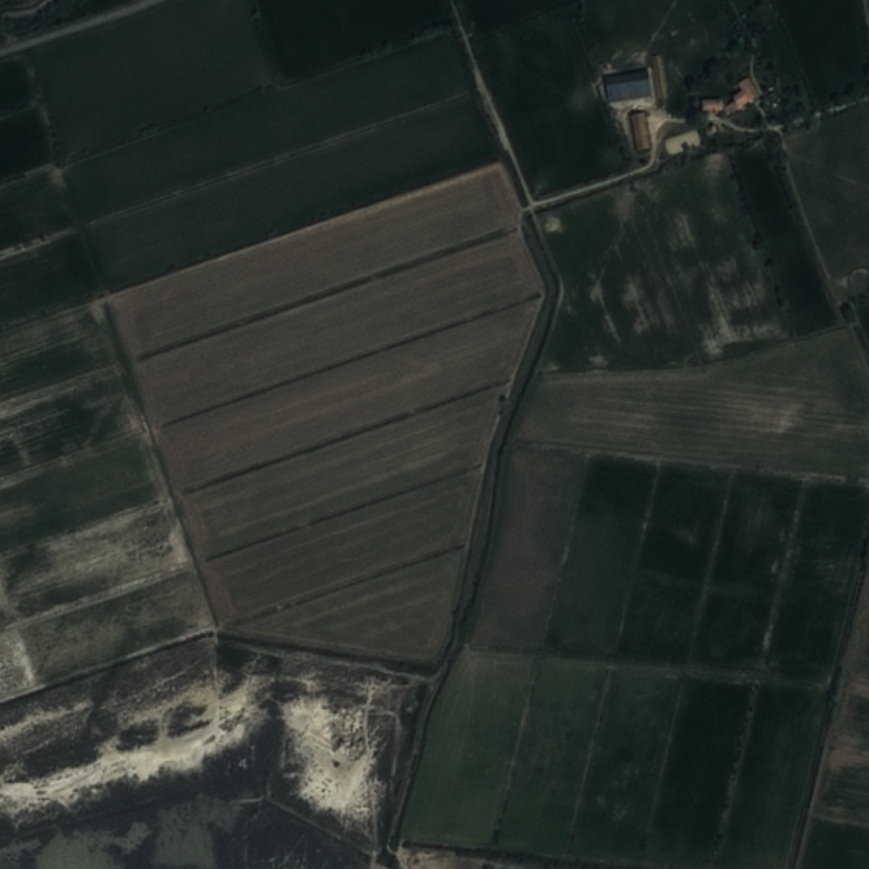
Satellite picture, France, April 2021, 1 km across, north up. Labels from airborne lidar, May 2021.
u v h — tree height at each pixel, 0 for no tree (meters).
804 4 0
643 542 0
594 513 0
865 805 0
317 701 0
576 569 0
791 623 0
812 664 0
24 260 0
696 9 0
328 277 0
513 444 0
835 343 0
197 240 0
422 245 0
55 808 0
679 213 0
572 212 0
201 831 0
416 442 0
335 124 0
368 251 0
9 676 0
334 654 0
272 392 0
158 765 0
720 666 0
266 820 0
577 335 0
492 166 0
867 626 0
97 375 0
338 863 0
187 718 0
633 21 0
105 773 0
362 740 0
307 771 0
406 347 0
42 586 0
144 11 0
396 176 0
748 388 0
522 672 0
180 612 0
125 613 0
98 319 0
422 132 0
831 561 0
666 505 0
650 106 0
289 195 0
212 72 0
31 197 0
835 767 0
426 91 0
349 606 0
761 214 0
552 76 0
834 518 0
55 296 0
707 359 0
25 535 0
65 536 0
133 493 0
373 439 0
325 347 0
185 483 0
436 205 0
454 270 0
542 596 0
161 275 0
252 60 0
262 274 0
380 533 0
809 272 0
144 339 0
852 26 0
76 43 0
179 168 0
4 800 0
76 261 0
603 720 0
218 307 0
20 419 0
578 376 0
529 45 0
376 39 0
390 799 0
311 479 0
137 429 0
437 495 0
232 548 0
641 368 0
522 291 0
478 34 0
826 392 0
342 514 0
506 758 0
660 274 0
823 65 0
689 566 0
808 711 0
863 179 0
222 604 0
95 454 0
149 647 0
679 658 0
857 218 0
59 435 0
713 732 0
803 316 0
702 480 0
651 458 0
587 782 0
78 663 0
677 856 0
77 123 0
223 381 0
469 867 0
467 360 0
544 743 0
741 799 0
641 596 0
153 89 0
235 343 0
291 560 0
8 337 0
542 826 0
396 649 0
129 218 0
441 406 0
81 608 0
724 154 15
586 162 0
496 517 0
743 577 0
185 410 0
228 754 0
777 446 0
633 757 0
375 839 0
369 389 0
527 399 0
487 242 0
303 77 0
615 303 0
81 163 0
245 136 0
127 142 0
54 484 0
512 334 0
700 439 0
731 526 0
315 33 0
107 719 0
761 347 0
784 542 0
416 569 0
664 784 0
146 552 0
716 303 0
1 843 0
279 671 0
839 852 0
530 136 0
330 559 0
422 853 0
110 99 0
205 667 0
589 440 0
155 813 0
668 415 0
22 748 0
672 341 0
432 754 0
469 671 0
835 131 0
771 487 0
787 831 0
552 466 0
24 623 0
